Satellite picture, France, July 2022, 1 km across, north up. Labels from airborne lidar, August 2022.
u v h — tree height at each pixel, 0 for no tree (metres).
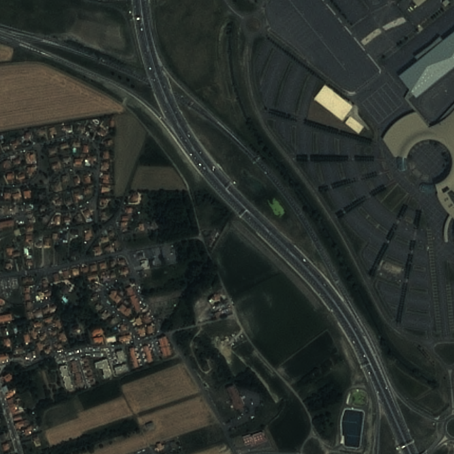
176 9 0
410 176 0
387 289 0
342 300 0
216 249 0
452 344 0
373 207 0
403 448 0
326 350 0
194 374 0
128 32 0
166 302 0
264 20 0
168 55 0
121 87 0
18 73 0
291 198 0
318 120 0
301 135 0
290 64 0
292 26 0
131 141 0
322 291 0
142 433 0
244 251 0
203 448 0
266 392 7
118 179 0
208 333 0
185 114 0
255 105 0
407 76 0
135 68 0
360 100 0
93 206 0
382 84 0
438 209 0
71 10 0
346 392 0
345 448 0
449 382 0
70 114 0
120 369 0
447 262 0
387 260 0
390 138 0
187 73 0
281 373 0
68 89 0
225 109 0
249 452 0
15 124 0
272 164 0
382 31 0
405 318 0
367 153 0
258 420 0
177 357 0
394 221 0
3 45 0
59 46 0
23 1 0
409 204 0
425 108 0
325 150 0
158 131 0
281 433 0
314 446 0
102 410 0
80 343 9
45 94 0
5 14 0
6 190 7
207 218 0
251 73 0
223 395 0
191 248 9
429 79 0
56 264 0
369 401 0
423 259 0
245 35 0
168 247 0
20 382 7
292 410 0
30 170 0
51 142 5
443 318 0
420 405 0
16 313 0
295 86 0
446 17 0
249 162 0
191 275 23
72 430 0
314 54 0
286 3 0
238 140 0
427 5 0
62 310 10
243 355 0
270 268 0
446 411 0
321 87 0
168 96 0
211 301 0
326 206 0
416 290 0
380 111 0
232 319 0
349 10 0
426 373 0
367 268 0
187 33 0
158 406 0
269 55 0
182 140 0
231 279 0
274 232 0
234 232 0
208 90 0
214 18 0
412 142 0
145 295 15
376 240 0
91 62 0
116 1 0
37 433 6
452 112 0
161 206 14
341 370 0
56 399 7
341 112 0
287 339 0
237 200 0
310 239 0
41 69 0
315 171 0
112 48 0
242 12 0
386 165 0
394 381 0
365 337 0
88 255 11
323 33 0
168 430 0
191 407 0
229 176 0
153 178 0
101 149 8
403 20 0
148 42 0
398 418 0
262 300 0
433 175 0
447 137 0
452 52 0
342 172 0
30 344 11
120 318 0
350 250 0
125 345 0
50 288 10
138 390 0
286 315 0
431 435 0
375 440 0
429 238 0
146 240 0
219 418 0
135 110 0
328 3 0
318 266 0
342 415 0
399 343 0
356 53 0
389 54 0
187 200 14
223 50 0
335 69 0
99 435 7
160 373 0
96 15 0
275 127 0
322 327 0
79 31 0
